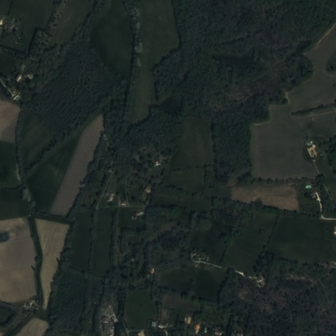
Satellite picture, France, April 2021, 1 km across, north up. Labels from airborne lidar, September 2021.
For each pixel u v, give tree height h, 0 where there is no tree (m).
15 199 0
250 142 12
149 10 0
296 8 24
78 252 0
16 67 6
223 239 18
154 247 20
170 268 18
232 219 20
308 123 0
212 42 32
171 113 6
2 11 0
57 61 18
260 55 7
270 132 0
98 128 0
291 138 0
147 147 19
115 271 18
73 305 10
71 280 10
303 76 20
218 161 12
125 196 6
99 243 0
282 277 20
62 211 0
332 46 0
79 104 16
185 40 23
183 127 12
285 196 0
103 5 15
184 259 17
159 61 0
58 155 0
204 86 20
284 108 0
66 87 15
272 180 11
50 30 6
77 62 14
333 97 0
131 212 0
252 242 0
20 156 13
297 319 13
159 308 13
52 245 0
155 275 18
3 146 0
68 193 0
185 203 0
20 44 10
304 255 0
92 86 12
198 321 18
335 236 0
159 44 0
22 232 0
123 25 0
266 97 14
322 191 13
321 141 7
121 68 0
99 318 23
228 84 8
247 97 12
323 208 11
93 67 8
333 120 0
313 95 0
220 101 20
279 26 22
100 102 20
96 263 0
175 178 0
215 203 20
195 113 17
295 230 0
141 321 0
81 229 0
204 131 0
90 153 0
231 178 17
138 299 0
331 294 16
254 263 0
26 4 0
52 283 0
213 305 20
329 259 0
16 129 14
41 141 0
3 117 0
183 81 17
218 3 26
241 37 18
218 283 0
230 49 26
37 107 18
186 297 21
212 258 0
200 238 0
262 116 20
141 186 6
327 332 8
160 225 21
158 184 17
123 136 21
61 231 0
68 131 8
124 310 12
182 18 22
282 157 0
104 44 0
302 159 0
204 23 26
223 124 18
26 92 20
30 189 0
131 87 16
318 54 0
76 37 22
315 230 0
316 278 22
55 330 16
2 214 0
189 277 0
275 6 15
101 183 13
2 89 14
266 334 19
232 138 20
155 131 20
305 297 9
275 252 0
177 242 12
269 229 0
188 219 0
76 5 0
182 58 19
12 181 0
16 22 8
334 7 21
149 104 0
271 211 22
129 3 23
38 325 0
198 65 27
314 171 0
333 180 0
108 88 8
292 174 0
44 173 0
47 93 16
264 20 11
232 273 17
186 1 22
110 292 11
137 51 28
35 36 9
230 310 14
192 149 0
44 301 0
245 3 21
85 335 15
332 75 0
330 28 11
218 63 25
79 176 0
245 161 18
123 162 20
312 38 21
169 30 0
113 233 13
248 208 20
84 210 19
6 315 0
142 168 19
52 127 8
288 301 13
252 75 10
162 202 0
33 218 0
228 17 20
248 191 0
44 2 0
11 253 0
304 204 0
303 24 23
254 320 17
